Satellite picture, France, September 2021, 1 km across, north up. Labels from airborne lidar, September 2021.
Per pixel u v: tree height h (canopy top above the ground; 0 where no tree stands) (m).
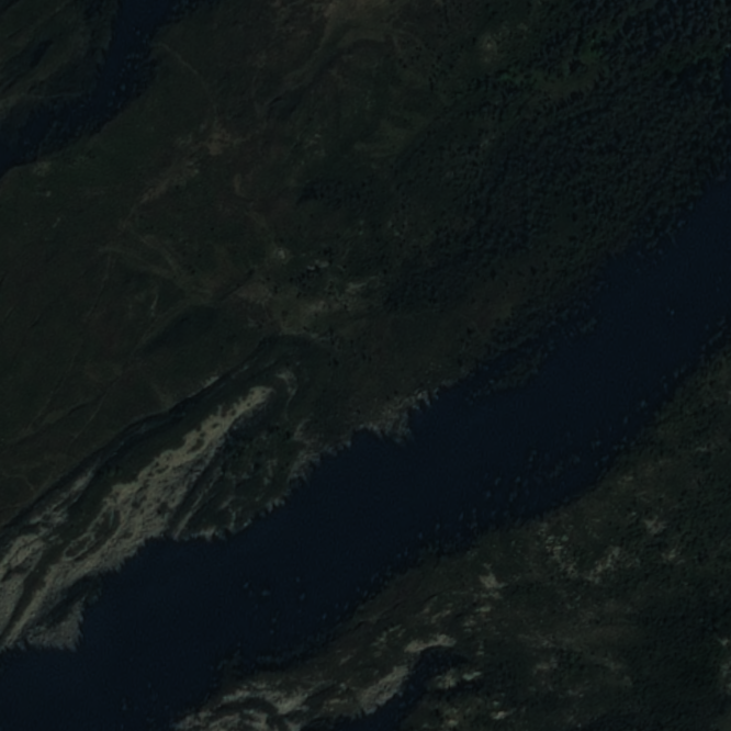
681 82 12
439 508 6
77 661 0
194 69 0
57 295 0
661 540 7
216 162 0
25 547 0
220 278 0
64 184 0
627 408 6
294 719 0
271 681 0
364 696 0
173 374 0
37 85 0
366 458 0
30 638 0
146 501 0
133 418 0
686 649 9
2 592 0
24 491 0
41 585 0
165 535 0
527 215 11
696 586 6
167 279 0
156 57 0
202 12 0
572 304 7
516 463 9
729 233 15
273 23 0
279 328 0
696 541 12
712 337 18
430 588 0
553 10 14
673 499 0
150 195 0
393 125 0
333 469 0
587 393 7
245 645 6
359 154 0
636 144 6
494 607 0
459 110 0
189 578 0
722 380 0
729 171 6
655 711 8
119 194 0
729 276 12
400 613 0
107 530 0
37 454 0
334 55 0
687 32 29
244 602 9
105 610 0
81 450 0
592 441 9
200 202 0
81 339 0
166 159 0
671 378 15
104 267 0
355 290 0
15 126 0
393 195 0
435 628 0
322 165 0
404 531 6
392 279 0
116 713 6
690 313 10
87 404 0
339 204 6
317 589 6
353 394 0
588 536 0
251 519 0
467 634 0
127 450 0
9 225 0
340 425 0
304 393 0
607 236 8
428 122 0
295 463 0
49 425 0
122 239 0
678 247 7
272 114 0
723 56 11
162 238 0
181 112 0
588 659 0
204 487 0
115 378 0
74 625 0
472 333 9
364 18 0
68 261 0
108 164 0
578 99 11
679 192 10
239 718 0
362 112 0
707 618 10
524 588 7
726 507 8
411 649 0
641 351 9
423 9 0
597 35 9
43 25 0
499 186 9
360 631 0
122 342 0
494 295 0
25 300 0
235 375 0
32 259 0
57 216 0
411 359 0
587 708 0
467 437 0
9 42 0
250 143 0
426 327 0
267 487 0
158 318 0
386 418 0
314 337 0
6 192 0
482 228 9
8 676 0
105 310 0
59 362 0
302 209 0
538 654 0
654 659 9
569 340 6
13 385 0
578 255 8
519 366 8
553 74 12
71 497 0
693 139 8
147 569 0
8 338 0
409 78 0
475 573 0
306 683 0
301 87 0
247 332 0
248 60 0
